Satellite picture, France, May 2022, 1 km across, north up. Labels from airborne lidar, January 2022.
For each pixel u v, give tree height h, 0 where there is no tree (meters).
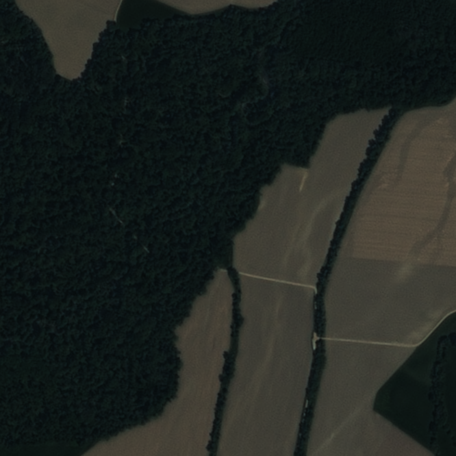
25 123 28
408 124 0
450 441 0
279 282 0
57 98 15
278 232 0
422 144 0
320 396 0
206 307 0
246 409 0
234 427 0
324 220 0
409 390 0
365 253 0
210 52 21
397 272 0
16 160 28
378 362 0
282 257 0
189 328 0
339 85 27
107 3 0
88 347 18
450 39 26
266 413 0
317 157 0
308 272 0
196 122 25
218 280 0
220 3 0
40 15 0
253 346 0
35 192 31
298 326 0
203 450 0
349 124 0
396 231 0
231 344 0
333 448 0
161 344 18
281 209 0
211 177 25
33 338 28
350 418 0
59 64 0
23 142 28
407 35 16
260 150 27
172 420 0
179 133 19
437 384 19
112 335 25
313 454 0
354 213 0
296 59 21
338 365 0
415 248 0
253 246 0
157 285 26
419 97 9
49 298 35
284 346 0
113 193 27
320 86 18
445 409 12
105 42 23
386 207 0
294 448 0
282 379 0
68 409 26
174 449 0
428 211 0
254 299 0
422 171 0
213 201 18
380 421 0
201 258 28
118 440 0
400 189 0
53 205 26
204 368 0
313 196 0
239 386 0
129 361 8
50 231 22
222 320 0
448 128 0
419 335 0
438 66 8
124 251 6
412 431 0
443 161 0
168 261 26
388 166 0
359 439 0
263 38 22
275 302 0
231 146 30
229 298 0
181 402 0
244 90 27
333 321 0
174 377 9
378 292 0
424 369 0
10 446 25
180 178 17
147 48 0
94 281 26
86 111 29
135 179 25
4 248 31
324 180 0
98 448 0
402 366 0
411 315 0
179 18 17
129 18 0
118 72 15
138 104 24
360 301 0
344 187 0
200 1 0
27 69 26
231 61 28
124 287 22
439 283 0
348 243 0
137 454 0
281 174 0
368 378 0
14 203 27
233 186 26
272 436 0
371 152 18
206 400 0
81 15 0
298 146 26
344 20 14
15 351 27
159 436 0
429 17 22
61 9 0
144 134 30
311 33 17
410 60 26
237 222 28
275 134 22
